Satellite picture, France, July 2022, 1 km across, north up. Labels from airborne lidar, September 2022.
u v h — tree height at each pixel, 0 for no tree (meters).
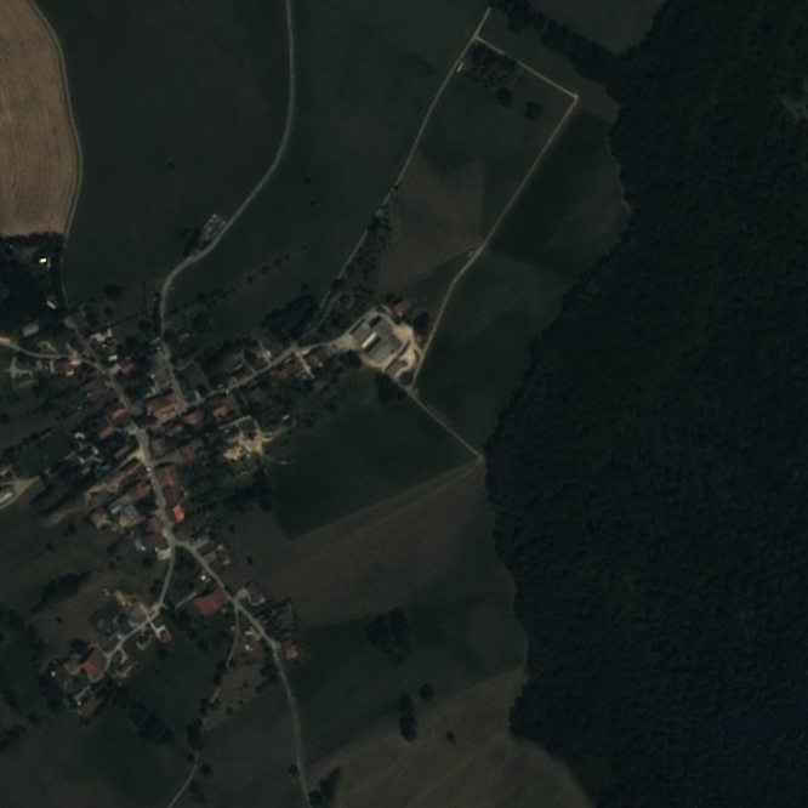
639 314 19
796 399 24
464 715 0
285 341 12
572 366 23
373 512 0
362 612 0
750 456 23
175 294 0
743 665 18
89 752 0
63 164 0
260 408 11
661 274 18
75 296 0
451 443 0
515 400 9
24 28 0
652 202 22
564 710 28
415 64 0
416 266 0
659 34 17
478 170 0
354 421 0
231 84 0
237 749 0
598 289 20
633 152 22
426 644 0
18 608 0
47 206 0
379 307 6
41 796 0
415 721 15
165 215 0
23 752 0
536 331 0
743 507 25
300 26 0
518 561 25
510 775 0
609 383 18
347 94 0
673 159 24
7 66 0
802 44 13
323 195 0
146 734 19
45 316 17
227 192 0
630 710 27
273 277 0
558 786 0
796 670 24
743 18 21
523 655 0
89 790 0
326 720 0
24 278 17
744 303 24
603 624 27
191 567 12
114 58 0
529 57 0
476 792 0
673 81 17
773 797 28
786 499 22
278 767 0
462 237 0
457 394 0
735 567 13
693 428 12
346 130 0
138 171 0
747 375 20
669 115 22
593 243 0
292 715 0
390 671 0
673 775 29
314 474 0
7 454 8
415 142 0
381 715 0
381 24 0
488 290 0
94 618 0
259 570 0
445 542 0
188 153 0
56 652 0
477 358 0
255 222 0
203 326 20
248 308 0
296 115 0
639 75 18
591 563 25
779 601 32
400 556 0
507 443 23
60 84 0
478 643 0
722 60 18
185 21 0
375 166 0
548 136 0
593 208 0
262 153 0
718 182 25
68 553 0
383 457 0
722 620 36
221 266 0
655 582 31
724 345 27
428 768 0
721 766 24
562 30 13
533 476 23
